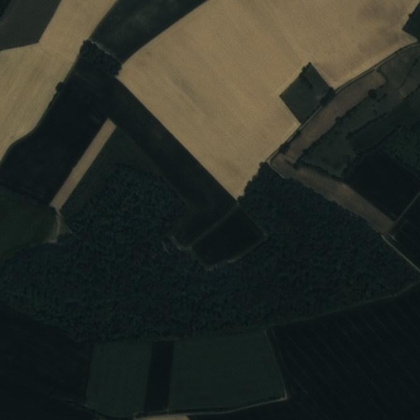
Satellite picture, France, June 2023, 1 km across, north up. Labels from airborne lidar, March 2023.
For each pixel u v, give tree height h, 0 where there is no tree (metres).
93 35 0
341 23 0
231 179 0
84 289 25
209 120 0
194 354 0
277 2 0
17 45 0
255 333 0
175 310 20
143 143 0
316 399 0
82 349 0
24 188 0
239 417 0
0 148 0
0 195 0
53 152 0
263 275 24
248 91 0
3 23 0
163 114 0
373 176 0
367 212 0
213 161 0
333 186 0
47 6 0
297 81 0
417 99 0
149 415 0
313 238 32
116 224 22
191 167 0
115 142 0
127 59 0
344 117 7
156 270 25
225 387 0
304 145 0
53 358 0
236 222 0
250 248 0
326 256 23
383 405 0
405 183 0
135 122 0
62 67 0
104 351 0
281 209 29
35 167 0
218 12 0
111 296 23
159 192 22
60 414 0
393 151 9
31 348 0
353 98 0
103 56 17
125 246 25
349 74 0
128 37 0
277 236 21
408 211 0
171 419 0
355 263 26
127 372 0
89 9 0
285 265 23
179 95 0
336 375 0
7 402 0
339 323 0
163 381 0
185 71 0
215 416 0
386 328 0
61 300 27
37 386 0
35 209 0
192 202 0
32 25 0
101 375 0
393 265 17
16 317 0
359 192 0
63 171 0
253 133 0
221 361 0
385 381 0
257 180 19
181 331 19
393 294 14
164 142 0
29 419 0
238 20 0
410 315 0
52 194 0
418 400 0
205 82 0
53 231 0
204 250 0
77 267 19
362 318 0
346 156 0
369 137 0
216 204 0
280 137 0
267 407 0
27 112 0
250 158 0
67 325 25
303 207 29
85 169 0
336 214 31
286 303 23
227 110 0
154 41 0
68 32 0
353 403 0
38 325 0
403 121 0
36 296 26
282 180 7
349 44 0
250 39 0
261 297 24
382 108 0
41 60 0
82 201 0
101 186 0
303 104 0
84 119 0
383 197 0
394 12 0
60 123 0
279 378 0
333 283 25
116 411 0
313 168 7
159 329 24
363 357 0
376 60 0
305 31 0
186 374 0
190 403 0
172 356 0
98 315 27
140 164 0
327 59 0
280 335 0
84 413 0
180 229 0
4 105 0
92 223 16
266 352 0
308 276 21
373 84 0
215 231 0
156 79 0
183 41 0
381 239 15
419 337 0
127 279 26
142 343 0
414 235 0
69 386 0
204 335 0
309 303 27
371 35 0
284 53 0
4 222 0
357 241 27
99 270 20
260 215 25
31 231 0
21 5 0
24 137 0
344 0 0
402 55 0
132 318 25
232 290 27
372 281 20
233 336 0
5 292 20
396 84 0
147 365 0
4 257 0
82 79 0
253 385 0
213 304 28
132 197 19
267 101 0
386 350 0
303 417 0
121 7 0
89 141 0
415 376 0
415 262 0
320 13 0
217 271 19
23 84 0
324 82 0
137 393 0
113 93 0
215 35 0
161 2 0
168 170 0
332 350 0
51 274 21
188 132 0
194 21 0
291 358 0
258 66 0
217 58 0
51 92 0
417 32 0
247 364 0
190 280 31
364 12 0
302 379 0
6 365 0
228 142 0
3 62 0
